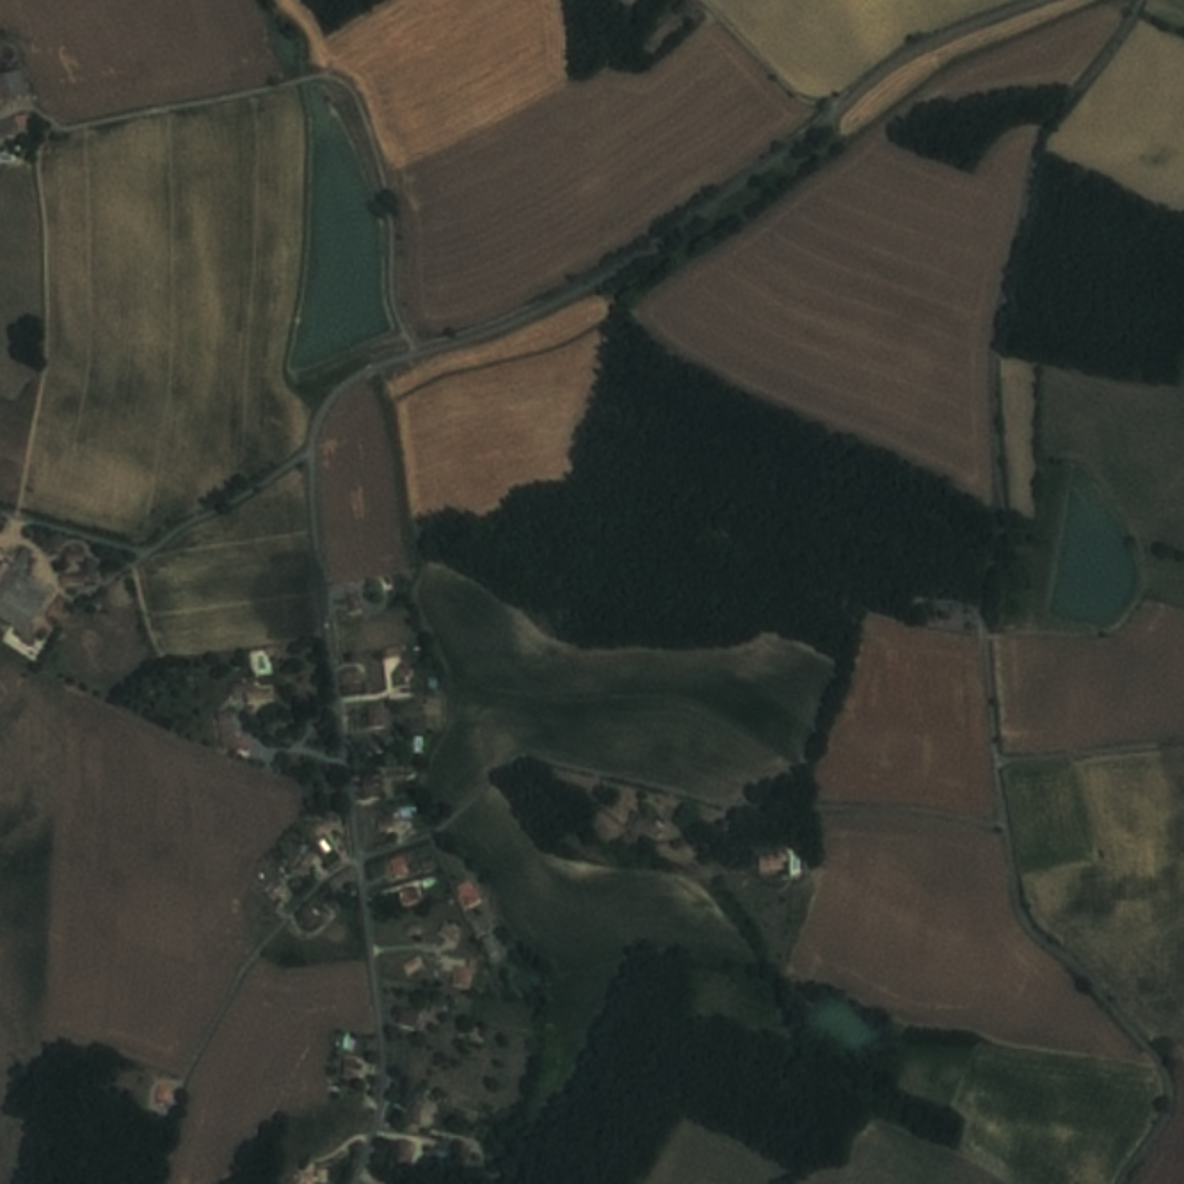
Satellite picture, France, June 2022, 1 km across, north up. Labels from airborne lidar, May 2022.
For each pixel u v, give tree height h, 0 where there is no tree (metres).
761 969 9
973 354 0
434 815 14
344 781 21
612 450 14
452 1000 6
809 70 0
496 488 0
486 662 0
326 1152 0
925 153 10
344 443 0
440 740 0
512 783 17
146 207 0
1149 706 0
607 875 0
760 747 0
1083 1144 0
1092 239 16
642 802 6
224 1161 0
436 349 0
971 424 0
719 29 0
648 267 15
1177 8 0
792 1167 13
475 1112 0
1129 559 0
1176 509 0
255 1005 0
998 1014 0
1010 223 0
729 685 0
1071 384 0
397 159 0
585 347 0
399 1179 13
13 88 0
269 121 0
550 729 0
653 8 17
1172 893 0
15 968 0
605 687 0
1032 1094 0
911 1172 0
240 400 0
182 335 0
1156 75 0
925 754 0
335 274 0
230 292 0
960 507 17
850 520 21
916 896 0
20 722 0
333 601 0
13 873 0
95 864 0
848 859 0
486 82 0
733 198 0
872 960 0
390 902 12
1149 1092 0
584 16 15
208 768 0
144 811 0
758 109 0
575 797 18
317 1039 0
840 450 19
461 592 0
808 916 0
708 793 0
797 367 0
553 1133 26
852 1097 14
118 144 0
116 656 0
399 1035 11
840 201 0
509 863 0
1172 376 12
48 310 0
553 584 7
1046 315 16
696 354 0
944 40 0
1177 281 18
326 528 0
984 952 0
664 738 0
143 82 0
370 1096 7
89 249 0
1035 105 17
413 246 0
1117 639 0
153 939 0
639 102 0
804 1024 23
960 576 17
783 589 12
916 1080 0
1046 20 0
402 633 0
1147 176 0
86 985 0
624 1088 20
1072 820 0
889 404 0
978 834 0
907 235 0
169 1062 0
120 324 0
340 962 0
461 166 0
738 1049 22
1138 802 0
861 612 9
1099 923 0
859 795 0
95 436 0
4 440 0
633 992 21
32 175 0
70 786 0
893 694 0
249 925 0
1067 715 0
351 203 0
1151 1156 0
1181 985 0
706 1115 16
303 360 0
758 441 19
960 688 0
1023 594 0
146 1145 17
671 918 0
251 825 0
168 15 0
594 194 0
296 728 10
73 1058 19
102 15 0
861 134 0
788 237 0
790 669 0
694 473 18
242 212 0
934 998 0
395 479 0
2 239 0
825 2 0
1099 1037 0
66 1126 15
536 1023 8
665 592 16
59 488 0
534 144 0
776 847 16
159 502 0
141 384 0
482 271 0
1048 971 0
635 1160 18
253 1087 0
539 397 0
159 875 0
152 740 0
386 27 0
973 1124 0
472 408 0
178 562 0
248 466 0
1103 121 0
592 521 15
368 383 0
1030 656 0
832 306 0
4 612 0
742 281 0
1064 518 0
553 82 0
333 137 0
